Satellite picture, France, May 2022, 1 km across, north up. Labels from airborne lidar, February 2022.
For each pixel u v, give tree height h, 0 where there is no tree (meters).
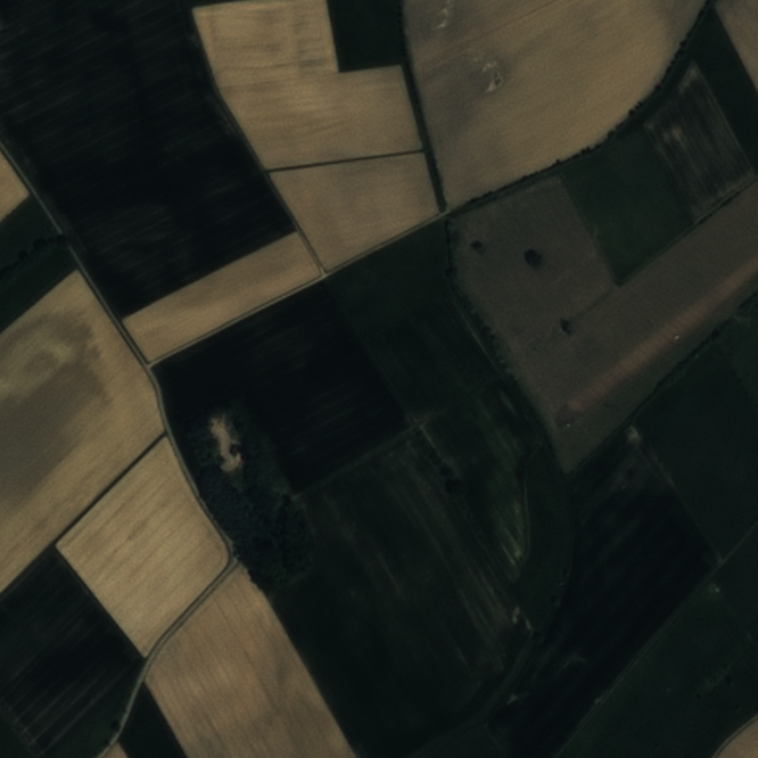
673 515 0
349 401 0
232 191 0
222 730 0
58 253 0
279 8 0
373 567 0
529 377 0
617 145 0
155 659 0
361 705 0
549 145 0
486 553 0
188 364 0
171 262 0
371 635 0
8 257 0
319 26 0
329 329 0
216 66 0
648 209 0
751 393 0
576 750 0
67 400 0
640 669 0
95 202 0
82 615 0
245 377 0
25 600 0
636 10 0
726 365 0
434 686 0
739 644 0
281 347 0
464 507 6
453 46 0
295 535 25
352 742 0
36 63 0
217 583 0
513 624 0
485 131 0
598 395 0
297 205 0
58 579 0
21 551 0
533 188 0
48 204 0
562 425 0
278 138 0
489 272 0
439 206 0
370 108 0
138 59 0
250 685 0
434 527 0
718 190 0
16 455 0
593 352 0
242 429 12
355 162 0
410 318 0
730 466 0
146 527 0
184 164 0
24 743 0
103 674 0
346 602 0
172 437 0
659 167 0
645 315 0
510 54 0
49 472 0
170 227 0
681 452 0
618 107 0
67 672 0
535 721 0
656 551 0
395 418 0
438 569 0
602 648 0
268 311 0
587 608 0
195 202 0
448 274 12
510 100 0
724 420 0
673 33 0
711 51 0
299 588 0
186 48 0
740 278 0
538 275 0
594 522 0
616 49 0
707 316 0
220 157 0
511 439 0
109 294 0
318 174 0
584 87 0
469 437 0
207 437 17
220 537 0
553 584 0
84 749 0
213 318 0
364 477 0
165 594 0
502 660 0
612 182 0
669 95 0
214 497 26
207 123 0
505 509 0
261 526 33
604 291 0
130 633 0
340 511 0
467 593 0
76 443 0
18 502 0
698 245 0
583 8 0
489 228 0
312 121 0
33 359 0
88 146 0
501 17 0
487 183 0
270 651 0
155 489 0
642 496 0
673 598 0
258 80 0
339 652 0
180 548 0
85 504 0
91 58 0
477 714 0
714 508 0
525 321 0
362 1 0
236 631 0
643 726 0
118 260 0
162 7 0
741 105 0
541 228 0
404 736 0
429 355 0
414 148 0
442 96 0
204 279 0
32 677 0
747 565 0
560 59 0
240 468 0
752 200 0
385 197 0
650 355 0
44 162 0
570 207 0
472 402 0
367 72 0
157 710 0
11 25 0
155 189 0
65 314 0
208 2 0
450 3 0
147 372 0
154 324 0
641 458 0
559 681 0
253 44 0
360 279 0
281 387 0
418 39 0
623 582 0
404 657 0
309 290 0
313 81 0
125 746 0
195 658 0
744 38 0
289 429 0
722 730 0
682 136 0
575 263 0
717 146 0
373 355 0
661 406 0
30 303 0
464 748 0
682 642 0
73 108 0
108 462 0
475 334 0
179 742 0
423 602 0
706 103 0
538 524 0
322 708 0
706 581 0
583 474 0
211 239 0
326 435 0
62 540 0
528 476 0
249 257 0
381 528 0
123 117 0
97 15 0
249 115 0
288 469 0
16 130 0
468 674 0
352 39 0
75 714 0
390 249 0
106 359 0
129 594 0
